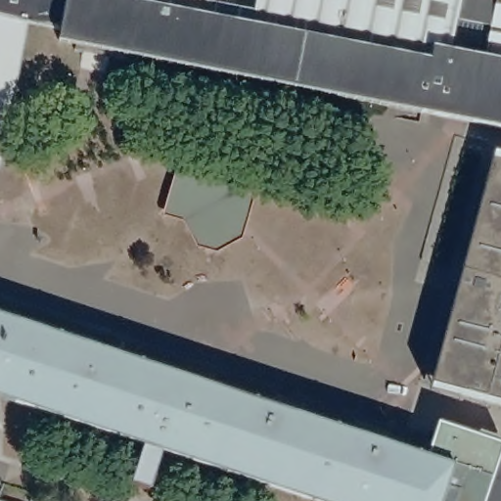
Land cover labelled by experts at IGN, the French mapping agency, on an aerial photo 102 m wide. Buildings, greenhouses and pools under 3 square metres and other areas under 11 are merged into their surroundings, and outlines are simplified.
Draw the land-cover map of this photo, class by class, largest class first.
<instances>
[{"label":"building","instance_id":"1","mask_svg":"<svg viewBox=\"0 0 501 501\"><path fill-rule=\"evenodd\" d=\"M29 20L53 23L55 35H59L63 45H76L74 51H88L94 57L106 51H114L166 61L174 65L245 76L249 78L282 84L299 88L335 94L348 100L386 108L399 110L405 114L433 115L444 119L470 123L501 127V0H0V139H6L8 135V121L2 119V115H6L12 102L16 80L22 70L23 45ZM434 391L438 393L485 405L493 421L491 433L472 429L454 421L438 419L431 440L433 444L427 450H423L382 434L356 429L341 421H333L292 405H284L237 387L225 386L204 376L162 364L104 342L72 335L63 329H55L51 325L0 309V391L6 393L12 401L27 407L59 413L65 417L102 431L123 434L129 438H137L133 446V456L139 458L135 481L141 483L151 485L155 481L162 454L172 452L207 466L223 468L227 472L256 479L266 485L274 489L276 501H501V147L493 151L485 192L479 205L478 221L474 227L472 243L462 270L460 286L450 313L433 382ZM162 209L170 217L184 219L194 231L198 245L205 249H225L227 245L239 241L245 235L252 200L233 196L231 192H227V186L205 188L192 176H174L166 204Z\"/></svg>","mask_w":501,"mask_h":501},{"label":"impervious surface","instance_id":"2","mask_svg":"<svg viewBox=\"0 0 501 501\"><path fill-rule=\"evenodd\" d=\"M376 131V143H380V147L384 149V157L393 160L397 168L401 166L403 170H419V155L431 145L434 137L442 135V127H446L444 119L433 115L405 114L399 110L386 108L384 114L370 115L368 119ZM501 147V127L470 123L468 135L460 129L452 133L444 155L440 159H434L425 168L421 178L415 182L419 188V196L411 200V211L405 219L401 233L395 239L393 297L387 315L386 331L380 344V354L376 356L372 366L358 364L356 358L350 356H331L305 341H290L274 333H262L256 317L250 311L245 288L239 282L198 284L174 299H159L117 286L114 282H106L104 276L108 270H112V262L82 268H65L39 258H31V250L41 241L37 227L0 223V309L51 325L55 329H63L72 335L104 342L162 364L204 376L225 386L237 387L284 405H292L333 421H341L356 429L382 434L423 450H427L433 444L431 440L438 419L454 421L472 429L491 433L493 421L485 405L438 393L434 391L433 382L450 313L460 286L462 270L472 243L474 227L478 221L479 205L485 192L493 151ZM115 168H123L127 174L135 176V180H143L145 170L141 162L133 155H127L119 159L106 160L102 166H90L88 170L80 168L72 174L70 180H59L49 186H41L35 180H31L27 182V188L33 200L37 202L51 200L53 196L78 184L84 200L92 205L98 202L92 184L96 176H104L106 172ZM12 401L6 393L0 391V491L8 474L6 462L10 456L4 452L8 436L4 423L6 405Z\"/></svg>","mask_w":501,"mask_h":501},{"label":"herbaceous vegetation","instance_id":"3","mask_svg":"<svg viewBox=\"0 0 501 501\"><path fill-rule=\"evenodd\" d=\"M76 45H63L59 35H55L53 23L29 20L23 45L22 70L16 80L12 102L20 104L23 100L35 98L39 92L47 90L51 84L57 82H63L65 86L76 84L78 88H86L88 84L96 86V82L108 80L110 72L119 68H129L131 65H151L172 76L182 72L192 76H204L213 84H219L227 78L233 80L235 86H239V82L245 76L174 65L166 61L114 51H106L94 57L88 51H74ZM249 92H280L282 84L249 78ZM313 98H319L325 104H333L341 110H346L348 114H364L368 119L370 115L384 114L386 108L348 100L335 94L299 88L297 102L309 104ZM114 117L110 114L100 115L102 125L108 135V145H112V151L119 159L127 155L119 143H115L112 129ZM446 127H442V135L434 137L431 145L419 155V170H403L401 166L397 168V172L389 178V200L380 205L374 215L366 219L352 217L348 221H335L319 213L305 217L299 209H294V205L286 202H274L260 196L252 200L245 235L239 241L227 245L225 249H205L198 245L194 231L184 219L170 217L162 209L166 204L174 176L172 172L164 170L162 162H141L145 170L143 180H135V176L127 174L123 168H115L106 172L104 176H96L92 184L98 202L92 205L84 200L78 184L53 196L51 200L37 202L33 200L27 188V182L31 180V174L18 168L16 164H0V223L37 227L41 241L31 250V258H39L65 268H82L112 262V270H108L104 276L106 282H114L117 286L159 299H174L198 284L239 282L245 288L250 311L256 317L262 333H274L290 341H305L331 356H350L356 358L358 364L372 366L376 356L380 354V344L386 331L387 315L393 297L395 239L401 233L405 219L411 211V200L419 196V188L415 182L421 178L425 168L434 159H440L444 155L452 133L460 129L468 135L470 123L444 119ZM78 151L74 147H68L65 155H53L47 168L41 174H37L35 180L41 186H49L59 180L57 172L67 168V160L76 159ZM41 419L51 423H63L65 417L59 413L27 407L12 401L6 405L4 423L8 436L4 452L10 456L6 462L8 474L0 491V501H37L43 481L31 476L29 472L22 474V460L18 452L22 450L23 434ZM98 438H104L106 442H112L117 446L127 444L129 438L123 434L102 431L98 433ZM180 464L186 468H198L205 481L233 479L235 487H241L245 491L262 489L266 485L256 479L227 472L223 468L207 466L172 452L162 454L155 481L157 485H162V481L168 476V468ZM151 485L141 483L135 487V493L129 501H153L147 495Z\"/></svg>","mask_w":501,"mask_h":501},{"label":"deciduous trees","instance_id":"4","mask_svg":"<svg viewBox=\"0 0 501 501\"><path fill-rule=\"evenodd\" d=\"M249 78L245 76L239 82V86H235L233 80L227 78L219 84H213L204 76H192L182 72L172 76L151 65H131L129 68H119L110 72L108 80L96 82V86L88 84L86 88H78L76 84L65 86L63 82H57L51 84L47 90L39 92L35 98L23 100L20 104L12 102L6 115H2V119L8 121V135L6 139H0V164H16L18 168L31 174V180H35L37 174H41L47 168L53 155H65L68 147H74L78 151H86L90 133L96 125H102L100 115L110 114L114 117L112 129L115 143H119L127 155H133L141 162H162L164 170L172 172L174 176H192L205 188L227 186V192H231L233 196L252 200L260 196L274 202H286L294 205V209H299L305 217L319 213L335 221H348L352 217L366 219L374 215L380 205L389 200V178L397 172V168L393 160L384 157V149L380 147V143H376V131L368 119L364 114H348L346 110H341L333 104H325L319 98H313L309 104L297 102L299 88L282 84L280 92H249ZM102 431L65 417L63 423H51L41 419L23 434L22 450L18 452L22 460V474L29 472L31 476L43 481L37 501H129L135 493V487L141 483L135 481L139 458L133 456V446L137 438H129L127 444L117 446L112 442H106L104 438H98V433ZM147 495L153 501H276L274 489L266 485L262 489L245 491L241 487H235L233 479L205 481L198 468H186L180 464L168 468V476L162 481V485H157L155 481L151 485Z\"/></svg>","mask_w":501,"mask_h":501},{"label":"brushwood","instance_id":"5","mask_svg":"<svg viewBox=\"0 0 501 501\"><path fill-rule=\"evenodd\" d=\"M106 160L119 159L112 151V145H108V135L102 125H96L90 133L86 151H78L76 159L67 160V168L57 172L59 180H70L72 174L80 168L88 170L90 166H102Z\"/></svg>","mask_w":501,"mask_h":501}]
</instances>
